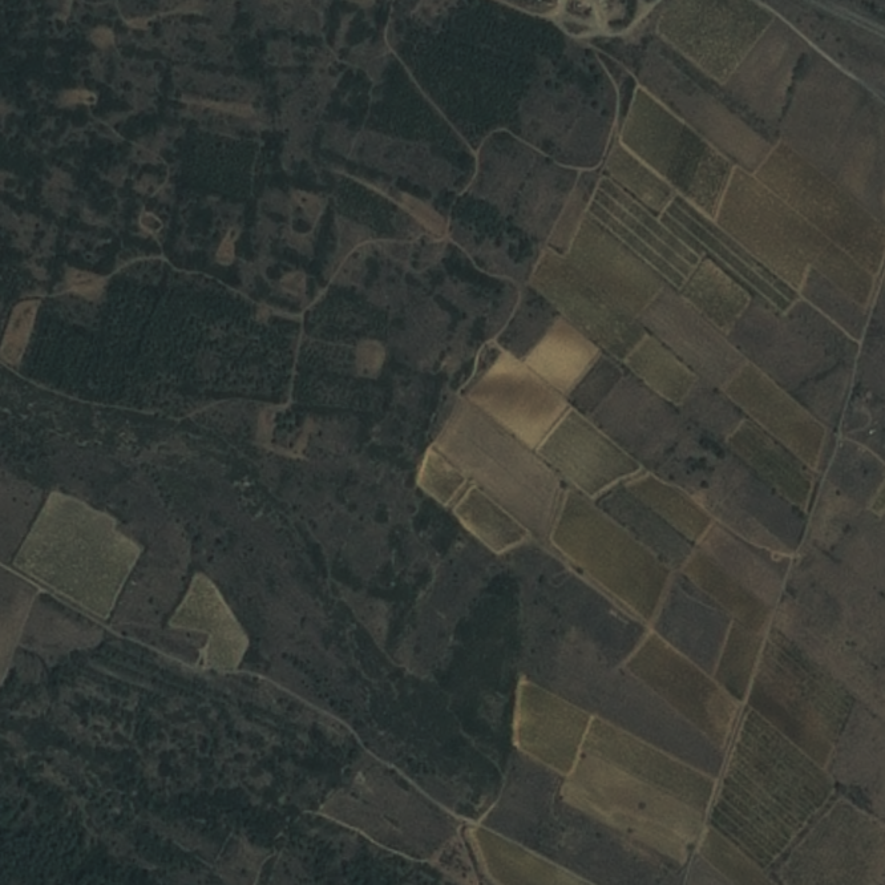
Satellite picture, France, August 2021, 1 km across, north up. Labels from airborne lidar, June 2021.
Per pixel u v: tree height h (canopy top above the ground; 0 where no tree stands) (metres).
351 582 0
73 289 0
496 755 0
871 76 0
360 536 0
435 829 0
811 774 0
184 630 0
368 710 0
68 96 0
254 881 0
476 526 0
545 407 0
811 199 0
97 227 0
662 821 0
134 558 0
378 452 0
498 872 0
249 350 7
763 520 0
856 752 0
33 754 0
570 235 0
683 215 0
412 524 0
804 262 0
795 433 0
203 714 0
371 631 0
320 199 0
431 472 0
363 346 0
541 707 0
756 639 0
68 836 10
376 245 0
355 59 0
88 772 0
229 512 0
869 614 0
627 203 0
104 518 0
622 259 0
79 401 0
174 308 7
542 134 0
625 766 0
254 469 0
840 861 0
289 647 0
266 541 0
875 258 0
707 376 0
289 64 0
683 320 0
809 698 0
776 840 0
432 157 0
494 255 0
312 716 0
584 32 0
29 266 0
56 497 0
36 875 7
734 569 0
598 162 0
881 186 0
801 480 0
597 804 0
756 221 0
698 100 0
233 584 0
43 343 6
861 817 0
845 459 0
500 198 0
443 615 0
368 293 0
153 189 0
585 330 0
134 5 0
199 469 0
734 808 0
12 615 0
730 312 0
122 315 6
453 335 0
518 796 0
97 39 0
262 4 0
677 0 0
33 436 8
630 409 0
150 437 0
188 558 0
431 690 0
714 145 0
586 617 0
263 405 0
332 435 0
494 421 0
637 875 0
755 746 0
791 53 0
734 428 0
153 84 0
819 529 0
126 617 0
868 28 0
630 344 0
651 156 0
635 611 0
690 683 0
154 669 7
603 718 0
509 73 8
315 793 0
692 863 0
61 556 0
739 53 0
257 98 0
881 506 0
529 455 0
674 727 0
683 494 0
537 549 0
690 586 0
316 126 0
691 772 0
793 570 0
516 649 0
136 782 8
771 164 0
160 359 6
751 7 0
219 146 7
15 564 0
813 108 0
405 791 0
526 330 0
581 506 0
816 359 0
